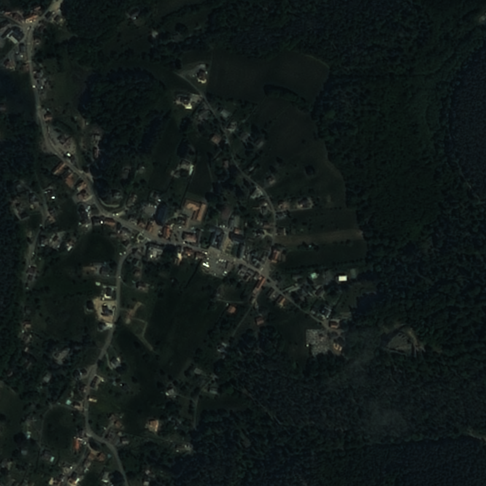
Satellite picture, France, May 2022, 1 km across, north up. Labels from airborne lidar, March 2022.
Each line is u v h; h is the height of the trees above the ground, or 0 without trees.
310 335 0
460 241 12
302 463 28
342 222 0
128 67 0
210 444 31
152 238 0
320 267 6
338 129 30
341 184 0
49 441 0
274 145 0
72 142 0
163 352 0
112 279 0
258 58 17
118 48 0
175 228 0
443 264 12
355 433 42
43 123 0
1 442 0
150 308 0
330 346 0
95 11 23
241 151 0
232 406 0
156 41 14
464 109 24
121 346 0
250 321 0
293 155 0
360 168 36
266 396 23
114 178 8
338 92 31
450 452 31
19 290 27
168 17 8
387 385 31
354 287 0
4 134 0
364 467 13
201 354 12
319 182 0
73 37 12
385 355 22
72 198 0
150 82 32
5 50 0
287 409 33
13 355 17
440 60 21
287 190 0
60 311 0
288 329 0
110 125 23
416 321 22
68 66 0
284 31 29
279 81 0
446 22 23
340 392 33
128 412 0
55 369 25
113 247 0
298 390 21
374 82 23
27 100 0
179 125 0
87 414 0
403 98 24
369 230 26
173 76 0
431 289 17
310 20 30
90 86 24
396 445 13
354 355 21
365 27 29
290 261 0
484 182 25
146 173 0
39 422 0
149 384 0
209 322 0
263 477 25
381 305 34
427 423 17
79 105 0
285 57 0
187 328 0
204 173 0
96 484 0
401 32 31
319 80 0
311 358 7
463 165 26
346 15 27
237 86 0
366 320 25
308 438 18
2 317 25
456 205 25
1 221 35
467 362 22
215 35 17
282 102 0
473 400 28
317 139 9
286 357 19
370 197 14
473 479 32
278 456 33
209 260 0
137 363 0
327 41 27
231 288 0
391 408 32
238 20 25
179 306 0
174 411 21
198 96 0
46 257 14
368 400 35
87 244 0
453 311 41
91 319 0
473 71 32
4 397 0
